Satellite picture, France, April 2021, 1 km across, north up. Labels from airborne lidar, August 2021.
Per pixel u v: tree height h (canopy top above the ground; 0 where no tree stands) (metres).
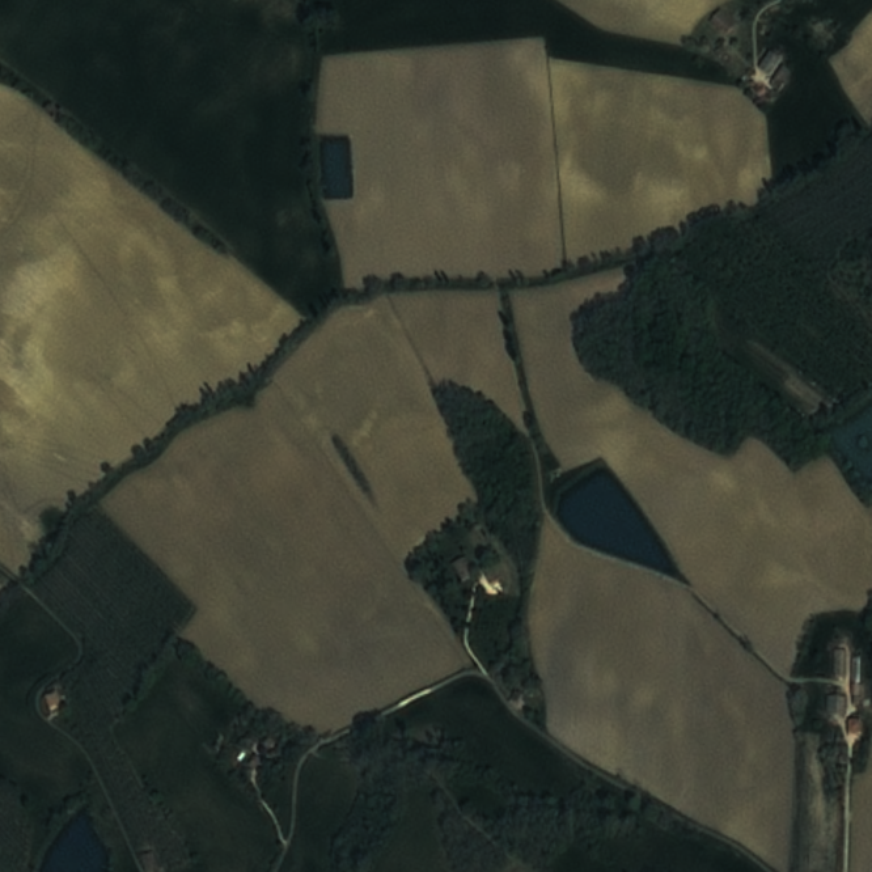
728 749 0
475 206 0
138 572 7
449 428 8
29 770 0
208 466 0
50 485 0
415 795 0
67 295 0
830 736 0
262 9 0
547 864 13
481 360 0
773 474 0
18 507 0
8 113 0
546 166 0
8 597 17
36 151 0
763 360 0
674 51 0
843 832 0
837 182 7
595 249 0
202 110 0
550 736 0
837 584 0
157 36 0
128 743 0
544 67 0
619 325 26
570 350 0
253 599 0
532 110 0
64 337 0
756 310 7
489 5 0
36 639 0
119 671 7
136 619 6
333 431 0
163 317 0
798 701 18
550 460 0
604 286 0
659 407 20
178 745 0
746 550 0
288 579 0
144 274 0
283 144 0
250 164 0
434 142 0
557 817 20
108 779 6
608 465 0
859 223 7
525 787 0
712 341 19
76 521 7
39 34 0
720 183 0
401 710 0
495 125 0
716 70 0
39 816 0
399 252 0
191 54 0
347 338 0
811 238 7
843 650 0
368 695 0
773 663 0
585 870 0
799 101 0
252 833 0
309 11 8
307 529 0
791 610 0
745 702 0
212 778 0
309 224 0
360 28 0
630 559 0
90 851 0
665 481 0
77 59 0
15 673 0
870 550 0
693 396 22
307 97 23
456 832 12
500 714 0
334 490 0
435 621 0
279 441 0
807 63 0
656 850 0
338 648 0
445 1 0
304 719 0
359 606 0
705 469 0
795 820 0
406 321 0
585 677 0
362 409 0
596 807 6
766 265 6
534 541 18
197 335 0
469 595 9
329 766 0
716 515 0
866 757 7
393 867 0
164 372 0
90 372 0
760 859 0
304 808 0
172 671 0
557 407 0
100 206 0
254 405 0
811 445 21
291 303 0
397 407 0
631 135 0
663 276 23
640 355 25
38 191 0
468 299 0
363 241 0
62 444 0
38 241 0
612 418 0
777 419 27
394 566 0
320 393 0
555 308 0
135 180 17
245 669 0
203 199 0
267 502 0
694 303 21
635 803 18
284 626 0
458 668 0
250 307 0
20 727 0
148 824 7
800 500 0
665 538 0
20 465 0
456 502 0
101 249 0
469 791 0
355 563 0
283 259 0
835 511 0
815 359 8
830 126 0
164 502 0
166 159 0
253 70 0
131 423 0
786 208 10
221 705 0
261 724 6
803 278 6
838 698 0
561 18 0
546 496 0
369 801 14
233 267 0
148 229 0
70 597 6
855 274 9
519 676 17
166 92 0
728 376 20
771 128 0
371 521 0
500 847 14
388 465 0
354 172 0
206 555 0
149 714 0
